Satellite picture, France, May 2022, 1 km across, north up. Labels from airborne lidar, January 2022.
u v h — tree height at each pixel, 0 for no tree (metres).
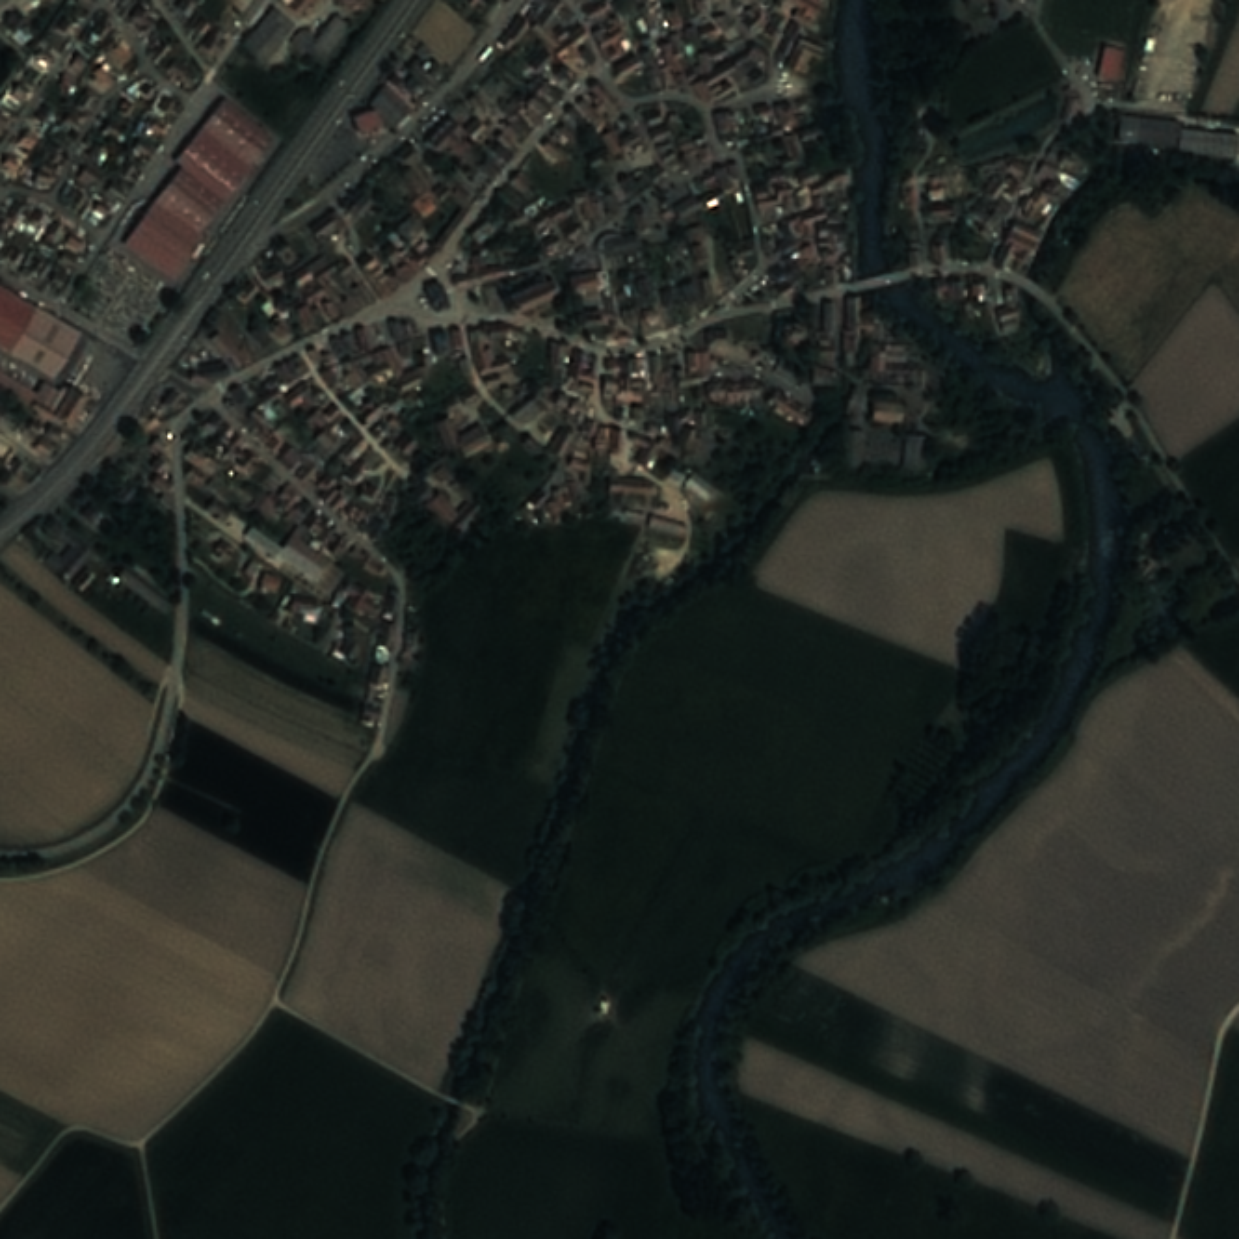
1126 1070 0
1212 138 0
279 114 0
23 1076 0
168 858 0
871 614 0
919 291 16
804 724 0
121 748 0
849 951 0
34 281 0
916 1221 0
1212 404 0
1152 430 0
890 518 0
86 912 0
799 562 0
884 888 0
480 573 0
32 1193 0
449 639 0
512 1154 0
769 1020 0
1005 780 0
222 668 0
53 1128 0
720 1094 0
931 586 0
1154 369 0
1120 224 0
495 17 0
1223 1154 0
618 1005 0
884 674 0
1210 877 0
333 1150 0
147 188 0
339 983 0
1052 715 0
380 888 0
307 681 0
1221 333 0
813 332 8
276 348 0
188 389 0
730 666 0
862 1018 0
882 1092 0
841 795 0
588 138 11
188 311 0
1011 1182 0
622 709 0
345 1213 0
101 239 0
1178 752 0
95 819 0
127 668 10
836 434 14
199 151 0
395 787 0
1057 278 0
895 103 24
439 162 13
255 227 0
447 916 0
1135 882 0
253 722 0
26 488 0
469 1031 13
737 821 0
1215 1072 0
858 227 0
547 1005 0
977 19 0
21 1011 0
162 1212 0
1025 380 0
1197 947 0
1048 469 0
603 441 0
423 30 0
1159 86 0
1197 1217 0
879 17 13
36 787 0
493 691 0
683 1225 0
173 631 0
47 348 0
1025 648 22
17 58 13
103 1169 0
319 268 0
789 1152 0
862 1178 0
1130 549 13
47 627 0
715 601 0
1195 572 10
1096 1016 0
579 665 0
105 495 10
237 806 0
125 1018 0
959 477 8
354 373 0
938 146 0
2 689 0
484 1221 0
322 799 0
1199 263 0
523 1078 0
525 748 0
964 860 0
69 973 0
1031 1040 0
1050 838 0
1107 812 0
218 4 0
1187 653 0
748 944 0
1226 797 0
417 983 0
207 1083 0
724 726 0
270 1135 0
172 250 0
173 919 0
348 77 0
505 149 0
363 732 0
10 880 0
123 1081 0
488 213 7
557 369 0
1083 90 0
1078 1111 0
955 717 0
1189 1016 0
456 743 0
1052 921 0
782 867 0
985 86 0
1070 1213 0
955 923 0
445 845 0
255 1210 0
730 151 0
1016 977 0
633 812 0
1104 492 0
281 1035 0
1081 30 0
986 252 0
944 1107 0
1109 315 0
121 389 0
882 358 0
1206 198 0
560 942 0
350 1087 0
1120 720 0
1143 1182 0
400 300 0
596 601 0
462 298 0
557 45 0
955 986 0
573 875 0
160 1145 0
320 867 0
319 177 0
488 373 0
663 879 0
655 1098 0
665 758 0
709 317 0
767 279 0
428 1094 0
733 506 0
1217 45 0
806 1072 0
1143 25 0
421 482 6
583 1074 0
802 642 0
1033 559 0
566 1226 0
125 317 0
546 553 0
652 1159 0
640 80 0
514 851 0
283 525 0
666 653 0
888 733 0
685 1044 9
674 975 0
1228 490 0
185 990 0
